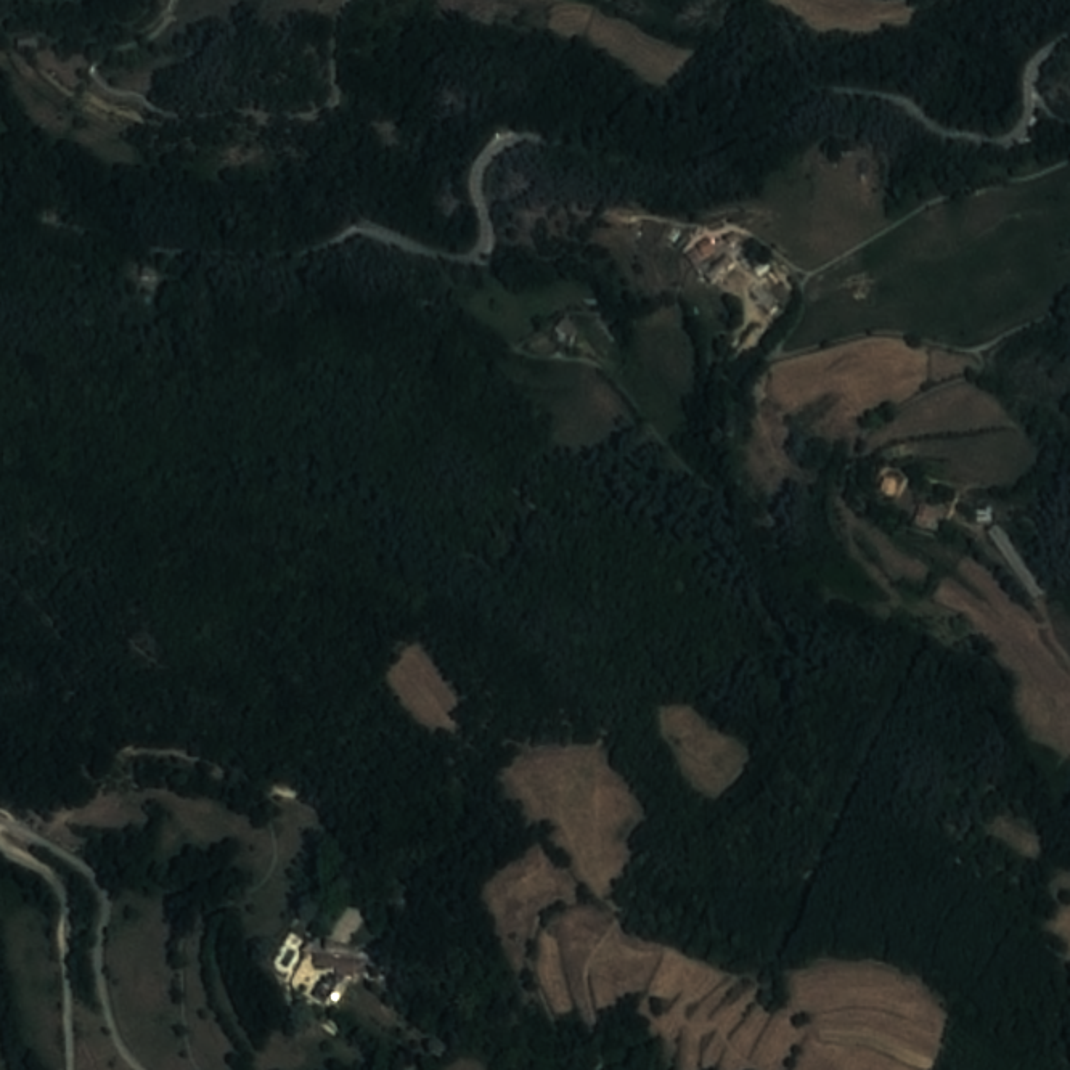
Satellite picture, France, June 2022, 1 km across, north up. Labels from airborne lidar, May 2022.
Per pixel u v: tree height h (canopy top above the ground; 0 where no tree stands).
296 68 11
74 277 15
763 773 14
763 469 0
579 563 15
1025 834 0
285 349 14
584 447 0
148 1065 0
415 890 21
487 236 0
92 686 8
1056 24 12
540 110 23
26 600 12
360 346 11
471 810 17
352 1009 0
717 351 13
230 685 17
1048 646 0
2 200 14
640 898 10
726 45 16
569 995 0
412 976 16
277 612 12
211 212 29
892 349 0
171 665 11
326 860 39
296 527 19
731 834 22
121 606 11
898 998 0
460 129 16
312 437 20
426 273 19
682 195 23
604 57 14
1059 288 0
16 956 0
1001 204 0
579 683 21
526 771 0
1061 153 10
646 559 13
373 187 23
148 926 0
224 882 21
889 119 17
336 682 12
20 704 10
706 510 29
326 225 24
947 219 0
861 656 26
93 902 19
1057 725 0
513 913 0
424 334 19
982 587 0
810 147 9
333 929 6
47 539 7
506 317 0
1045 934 11
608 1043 11
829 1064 0
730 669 21
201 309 21
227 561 18
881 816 12
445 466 23
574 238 9
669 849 19
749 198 13
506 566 21
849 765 17
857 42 13
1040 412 8
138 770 19
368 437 15
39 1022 0
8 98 27
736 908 16
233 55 11
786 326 14
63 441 20
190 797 17
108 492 15
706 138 21
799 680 29
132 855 21
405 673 0
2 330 21
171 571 11
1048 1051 16
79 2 17
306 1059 0
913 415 0
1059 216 0
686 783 17
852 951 15
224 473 19
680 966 0
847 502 12
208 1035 0
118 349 21
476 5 0
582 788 0
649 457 34
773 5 8
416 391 13
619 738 18
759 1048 0
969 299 0
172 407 16
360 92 20
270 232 25
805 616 25
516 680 15
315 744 18
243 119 13
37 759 24
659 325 0
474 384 17
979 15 18
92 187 16
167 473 14
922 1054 0
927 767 22
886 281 0
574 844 0
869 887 17
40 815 15
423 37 18
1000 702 14
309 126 9
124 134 8
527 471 16
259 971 13
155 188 33
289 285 23
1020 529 8
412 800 18
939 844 16
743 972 10
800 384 0
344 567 19
